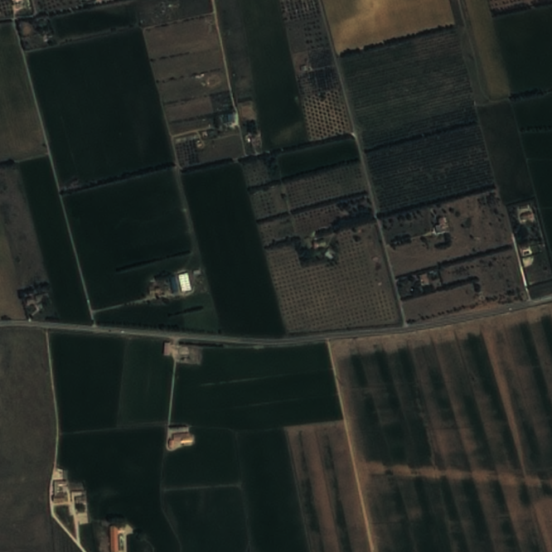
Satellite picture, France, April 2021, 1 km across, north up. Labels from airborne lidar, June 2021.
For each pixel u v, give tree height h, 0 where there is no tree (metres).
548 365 0
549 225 0
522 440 0
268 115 0
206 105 0
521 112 0
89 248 0
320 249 9
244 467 0
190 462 0
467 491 0
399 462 0
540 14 0
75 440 0
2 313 0
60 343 0
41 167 0
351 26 0
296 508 0
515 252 0
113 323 10
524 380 0
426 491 0
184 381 0
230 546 0
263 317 0
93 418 0
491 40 0
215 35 0
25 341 0
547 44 0
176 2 0
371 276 0
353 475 0
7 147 0
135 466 0
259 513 0
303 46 0
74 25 0
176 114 0
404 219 11
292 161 0
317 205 8
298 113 0
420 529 0
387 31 0
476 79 0
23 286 0
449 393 0
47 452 0
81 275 0
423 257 0
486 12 0
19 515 0
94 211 0
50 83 0
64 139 0
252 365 0
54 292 0
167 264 0
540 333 0
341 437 0
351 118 0
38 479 0
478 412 0
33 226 0
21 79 0
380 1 0
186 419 0
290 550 0
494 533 0
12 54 0
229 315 0
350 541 0
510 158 0
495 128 0
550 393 0
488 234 0
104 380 0
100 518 0
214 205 0
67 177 0
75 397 0
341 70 0
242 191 0
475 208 0
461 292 0
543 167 0
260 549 0
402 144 12
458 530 0
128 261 0
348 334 0
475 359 0
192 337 0
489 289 0
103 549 0
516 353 0
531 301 0
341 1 0
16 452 0
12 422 0
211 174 0
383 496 0
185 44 0
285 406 0
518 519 0
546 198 0
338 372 0
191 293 0
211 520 0
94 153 0
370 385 0
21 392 0
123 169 0
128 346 0
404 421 0
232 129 8
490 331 0
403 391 0
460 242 0
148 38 0
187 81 0
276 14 0
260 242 0
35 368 0
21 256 0
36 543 0
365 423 0
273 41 0
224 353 0
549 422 0
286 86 0
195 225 0
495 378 0
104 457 0
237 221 0
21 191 0
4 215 0
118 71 0
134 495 0
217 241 0
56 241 0
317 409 0
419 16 0
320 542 0
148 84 0
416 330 0
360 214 8
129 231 0
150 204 0
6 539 0
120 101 0
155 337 0
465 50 0
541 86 0
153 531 0
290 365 0
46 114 0
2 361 0
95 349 0
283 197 11
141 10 0
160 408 0
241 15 0
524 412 0
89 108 0
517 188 0
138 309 0
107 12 0
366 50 10
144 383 0
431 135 13
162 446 0
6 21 7
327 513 0
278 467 0
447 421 0
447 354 0
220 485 0
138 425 0
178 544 0
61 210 0
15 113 0
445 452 0
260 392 0
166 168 15
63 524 0
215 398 0
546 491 0
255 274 0
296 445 0
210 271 0
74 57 0
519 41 0
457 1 0
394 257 0
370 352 0
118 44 0
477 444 0
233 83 0
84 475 0
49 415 0
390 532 0
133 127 0
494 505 0
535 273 0
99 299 0
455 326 0
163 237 0
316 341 0
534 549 0
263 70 0
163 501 0
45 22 10
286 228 0
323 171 10
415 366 0
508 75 0
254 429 0
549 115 0
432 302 0
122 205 0
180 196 0
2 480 0
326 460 0
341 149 0
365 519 0
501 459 0
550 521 0
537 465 0
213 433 0
